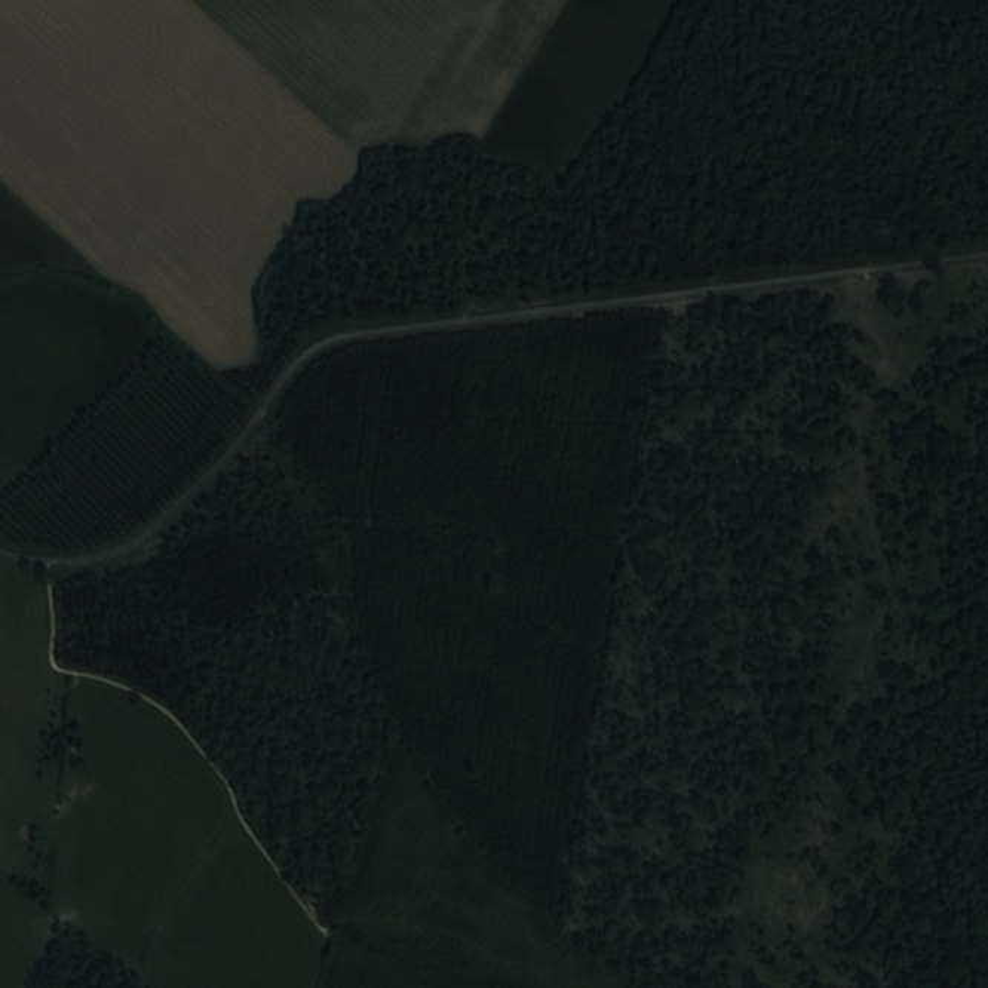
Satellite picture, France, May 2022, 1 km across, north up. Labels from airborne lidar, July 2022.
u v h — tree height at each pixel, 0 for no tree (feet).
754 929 27
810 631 89
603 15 0
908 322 0
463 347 25
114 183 0
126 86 0
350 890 25
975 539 28
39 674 0
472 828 32
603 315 27
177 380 72
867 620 0
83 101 0
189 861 0
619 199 75
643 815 96
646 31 0
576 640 31
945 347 80
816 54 75
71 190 0
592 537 31
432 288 73
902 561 70
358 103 0
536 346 30
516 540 26
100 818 0
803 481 85
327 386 25
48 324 0
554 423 25
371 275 42
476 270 70
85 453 75
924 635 100
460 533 25
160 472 76
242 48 0
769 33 70
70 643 47
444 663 18
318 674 71
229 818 0
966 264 0
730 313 77
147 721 0
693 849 54
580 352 22
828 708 50
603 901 67
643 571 73
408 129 0
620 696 42
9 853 0
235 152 0
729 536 37
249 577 48
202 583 45
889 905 79
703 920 52
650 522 74
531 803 25
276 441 27
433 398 30
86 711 0
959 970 82
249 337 0
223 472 0
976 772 81
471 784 27
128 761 0
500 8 0
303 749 46
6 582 0
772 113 67
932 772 63
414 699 28
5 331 0
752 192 77
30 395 0
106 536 74
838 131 65
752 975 22
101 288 28
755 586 86
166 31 0
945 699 83
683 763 100
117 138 0
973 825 35
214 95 0
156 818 0
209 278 0
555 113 0
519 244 46
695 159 74
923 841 64
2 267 0
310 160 0
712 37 76
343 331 0
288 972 0
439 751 33
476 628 23
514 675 20
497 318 0
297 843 62
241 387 68
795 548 41
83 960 65
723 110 82
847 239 73
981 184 47
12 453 0
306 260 56
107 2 0
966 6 57
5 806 0
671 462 94
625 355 29
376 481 22
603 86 0
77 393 0
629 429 30
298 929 0
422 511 24
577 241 43
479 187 39
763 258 39
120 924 0
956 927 72
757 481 94
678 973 43
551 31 0
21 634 0
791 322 39
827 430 82
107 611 75
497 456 23
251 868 0
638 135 76
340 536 24
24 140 0
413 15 0
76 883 0
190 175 0
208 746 36
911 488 32
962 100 61
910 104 74
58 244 0
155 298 0
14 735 0
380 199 89
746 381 48
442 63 0
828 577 93
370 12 0
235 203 0
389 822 0
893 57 44
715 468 96
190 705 67
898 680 95
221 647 74
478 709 37
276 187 0
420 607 33
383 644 32
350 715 98
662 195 67
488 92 0
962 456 74
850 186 42
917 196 60
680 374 87
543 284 69
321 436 37
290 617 88
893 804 61
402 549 34
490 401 28
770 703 60
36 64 0
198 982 0
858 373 64
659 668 78
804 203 62
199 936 0
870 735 46
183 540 32
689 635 56
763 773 101
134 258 0
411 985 0
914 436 76
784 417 35
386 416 28
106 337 0
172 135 0
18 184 0
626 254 45
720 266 69
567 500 28
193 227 0
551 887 31
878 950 69
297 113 0
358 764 82
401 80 0
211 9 0
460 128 0
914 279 0
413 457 27
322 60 0
